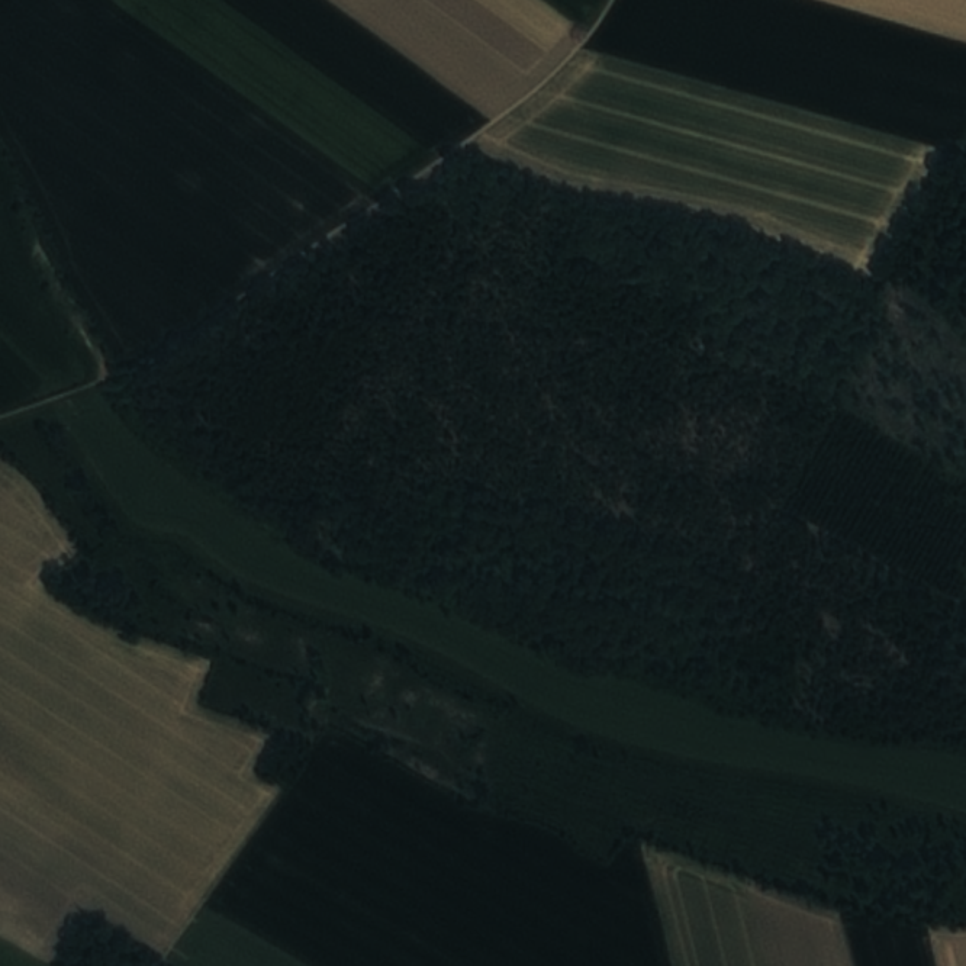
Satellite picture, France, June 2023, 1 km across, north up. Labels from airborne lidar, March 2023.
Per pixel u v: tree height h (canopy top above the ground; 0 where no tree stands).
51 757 0
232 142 0
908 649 12
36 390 0
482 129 0
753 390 13
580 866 0
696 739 0
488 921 0
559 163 0
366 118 0
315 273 17
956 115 0
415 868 0
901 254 12
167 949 0
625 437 16
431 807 0
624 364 17
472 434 17
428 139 0
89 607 18
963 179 23
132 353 0
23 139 0
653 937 0
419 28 0
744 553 12
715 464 15
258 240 0
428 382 17
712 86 0
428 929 0
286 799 0
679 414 16
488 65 0
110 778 0
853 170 0
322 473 14
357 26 0
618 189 0
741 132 0
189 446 20
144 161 0
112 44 0
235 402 19
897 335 15
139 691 0
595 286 12
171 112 0
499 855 0
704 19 0
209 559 0
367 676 0
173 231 0
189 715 0
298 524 25
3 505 0
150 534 0
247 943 0
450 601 20
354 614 0
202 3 0
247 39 0
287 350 21
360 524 20
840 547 18
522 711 0
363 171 0
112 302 0
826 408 13
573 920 0
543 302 13
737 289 25
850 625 15
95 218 0
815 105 0
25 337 0
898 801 0
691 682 8
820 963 0
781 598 14
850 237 0
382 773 0
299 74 0
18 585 0
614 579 26
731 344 20
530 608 30
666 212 18
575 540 21
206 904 0
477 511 25
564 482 11
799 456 16
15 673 0
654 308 16
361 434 14
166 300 0
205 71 0
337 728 9
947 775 0
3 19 0
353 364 13
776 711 15
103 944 19
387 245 15
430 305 14
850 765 0
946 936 0
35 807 0
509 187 19
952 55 0
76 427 0
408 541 20
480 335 18
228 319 20
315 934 0
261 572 0
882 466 7
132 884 0
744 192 0
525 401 14
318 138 0
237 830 0
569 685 0
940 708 13
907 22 0
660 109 0
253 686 0
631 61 0
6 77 0
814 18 0
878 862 24
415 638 0
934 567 6
